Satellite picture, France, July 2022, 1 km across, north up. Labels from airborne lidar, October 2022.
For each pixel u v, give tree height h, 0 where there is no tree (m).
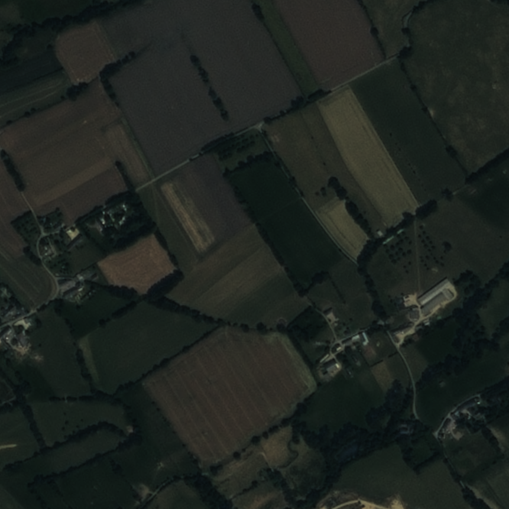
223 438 0
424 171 0
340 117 0
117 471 16
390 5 0
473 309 30
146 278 0
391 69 0
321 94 12
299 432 11
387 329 12
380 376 0
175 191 0
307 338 19
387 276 0
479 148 0
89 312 0
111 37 0
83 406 0
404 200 0
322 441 20
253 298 0
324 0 0
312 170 0
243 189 0
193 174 0
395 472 0
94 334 0
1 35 0
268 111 0
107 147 0
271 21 0
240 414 0
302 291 19
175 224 0
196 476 11
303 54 0
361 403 0
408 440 18
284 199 0
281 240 0
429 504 0
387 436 17
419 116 0
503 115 0
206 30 0
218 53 0
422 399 0
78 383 0
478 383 0
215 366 0
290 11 0
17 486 0
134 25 0
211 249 0
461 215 0
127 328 0
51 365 0
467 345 23
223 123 0
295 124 0
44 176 0
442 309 0
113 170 0
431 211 16
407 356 0
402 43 0
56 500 0
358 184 0
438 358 0
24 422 0
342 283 0
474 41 0
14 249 0
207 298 0
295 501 27
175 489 0
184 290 0
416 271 0
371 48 0
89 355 0
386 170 0
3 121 0
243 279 0
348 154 0
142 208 15
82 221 9
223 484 0
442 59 0
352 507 0
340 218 0
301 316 7
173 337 0
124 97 0
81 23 17
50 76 0
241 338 0
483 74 0
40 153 0
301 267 0
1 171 0
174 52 0
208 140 0
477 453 0
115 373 0
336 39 0
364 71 0
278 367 0
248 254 0
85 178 0
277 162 7
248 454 0
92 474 0
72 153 0
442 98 0
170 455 0
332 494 0
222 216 0
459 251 0
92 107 0
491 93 0
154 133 0
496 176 0
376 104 0
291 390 0
